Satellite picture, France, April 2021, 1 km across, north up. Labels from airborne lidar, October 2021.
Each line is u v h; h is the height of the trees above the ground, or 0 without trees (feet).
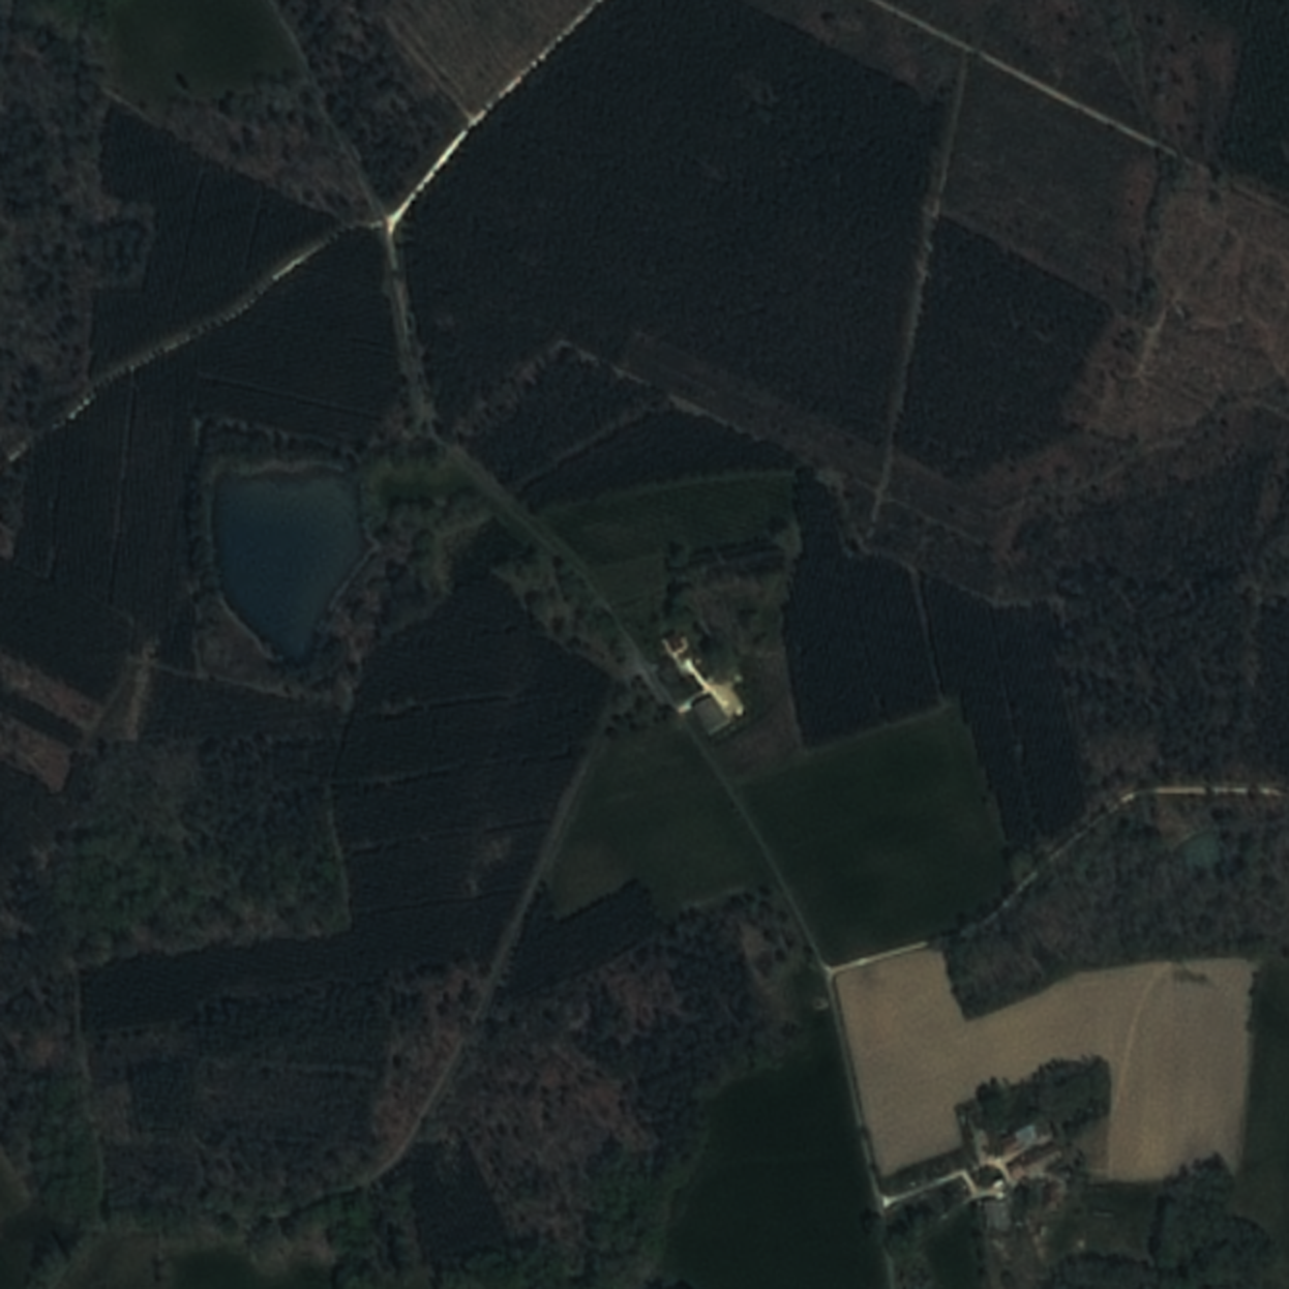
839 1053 0
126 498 29
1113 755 33
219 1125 30
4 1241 0
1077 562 30
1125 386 28
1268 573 48
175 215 34
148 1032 33
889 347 37
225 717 21
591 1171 47
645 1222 91
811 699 36
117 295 24
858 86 43
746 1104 0
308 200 28
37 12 65
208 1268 0
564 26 55
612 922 32
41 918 78
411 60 57
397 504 30
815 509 30
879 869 0
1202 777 70
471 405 40
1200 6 30
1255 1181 0
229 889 70
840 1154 0
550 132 38
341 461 55
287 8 37
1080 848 44
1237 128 26
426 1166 31
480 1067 24
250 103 22
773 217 41
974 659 35
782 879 0
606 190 42
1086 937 60
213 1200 50
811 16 27
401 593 64
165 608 24
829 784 0
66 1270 52
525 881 24
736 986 81
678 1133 89
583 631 49
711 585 39
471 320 37
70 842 60
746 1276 0
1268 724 46
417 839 31
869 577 33
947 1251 0
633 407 52
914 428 41
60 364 35
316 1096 34
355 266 34
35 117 76
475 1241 35
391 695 27
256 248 34
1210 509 24
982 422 43
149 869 64
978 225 24
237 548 0
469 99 58
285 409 36
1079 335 44
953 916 0
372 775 31
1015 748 32
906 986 0
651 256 41
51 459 38
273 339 33
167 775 51
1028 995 24
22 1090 41
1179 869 76
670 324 36
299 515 0
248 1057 52
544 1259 77
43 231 30
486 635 35
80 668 34
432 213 39
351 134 54
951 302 43
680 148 42
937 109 40
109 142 36
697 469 31
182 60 0
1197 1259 36
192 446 25
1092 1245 0
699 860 0
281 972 32
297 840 87
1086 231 0
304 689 63
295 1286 0
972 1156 0
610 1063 82
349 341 33
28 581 41
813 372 36
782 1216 0
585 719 35
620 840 0
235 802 52
